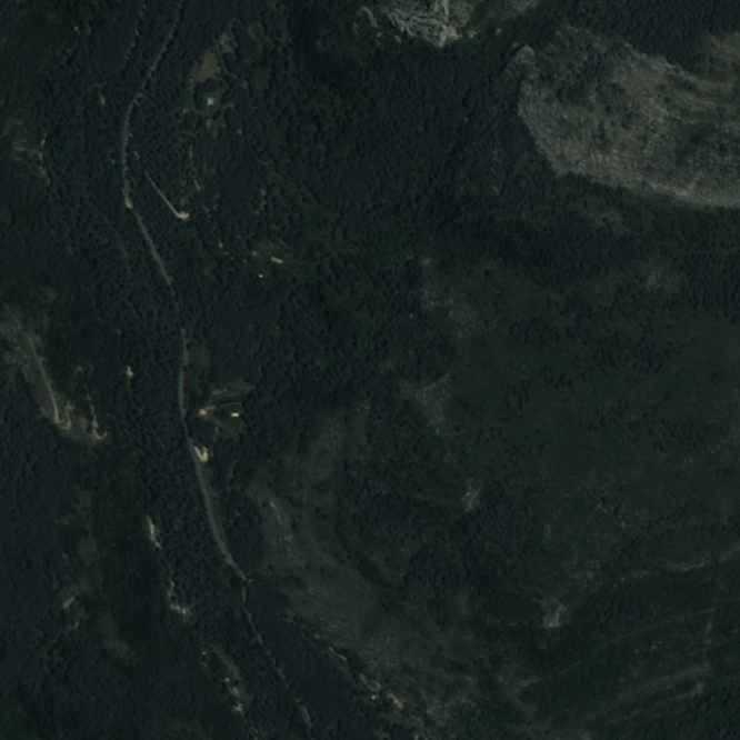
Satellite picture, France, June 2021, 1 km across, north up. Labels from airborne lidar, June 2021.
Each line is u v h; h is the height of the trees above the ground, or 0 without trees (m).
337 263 16
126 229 11
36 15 11
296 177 11
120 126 16
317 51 12
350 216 15
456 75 15
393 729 12
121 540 12
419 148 16
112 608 8
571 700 7
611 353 6
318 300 11
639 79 0
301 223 10
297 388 13
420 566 10
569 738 0
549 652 6
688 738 0
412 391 0
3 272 10
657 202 0
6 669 15
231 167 10
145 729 9
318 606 0
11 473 18
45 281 7
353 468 13
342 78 10
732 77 0
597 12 8
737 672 7
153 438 17
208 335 9
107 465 12
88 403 12
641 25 9
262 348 14
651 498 0
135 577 12
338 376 16
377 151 11
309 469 0
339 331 16
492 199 6
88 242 15
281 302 17
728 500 0
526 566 6
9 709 6
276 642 12
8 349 9
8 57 10
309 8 15
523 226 9
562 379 9
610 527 0
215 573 13
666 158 0
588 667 6
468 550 9
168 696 9
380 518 11
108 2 9
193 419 9
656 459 0
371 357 11
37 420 12
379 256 7
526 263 10
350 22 8
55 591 9
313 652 11
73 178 11
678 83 0
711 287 12
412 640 6
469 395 0
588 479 0
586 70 7
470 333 0
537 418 0
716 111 0
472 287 0
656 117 0
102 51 12
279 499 0
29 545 22
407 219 9
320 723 14
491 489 6
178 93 13
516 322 8
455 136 10
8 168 13
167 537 13
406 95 14
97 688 10
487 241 9
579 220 8
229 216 11
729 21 12
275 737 10
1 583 13
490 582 11
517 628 6
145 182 13
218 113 8
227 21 10
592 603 7
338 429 0
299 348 13
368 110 7
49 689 18
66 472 18
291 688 12
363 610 0
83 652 16
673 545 0
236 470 9
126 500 9
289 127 7
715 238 7
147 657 6
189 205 8
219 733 7
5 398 13
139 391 11
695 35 11
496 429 8
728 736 10
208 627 13
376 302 12
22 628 17
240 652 7
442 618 6
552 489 0
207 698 14
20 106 10
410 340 8
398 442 6
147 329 15
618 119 0
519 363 0
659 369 10
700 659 10
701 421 0
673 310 8
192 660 8
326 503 0
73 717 10
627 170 0
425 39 12
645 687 0
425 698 0
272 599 12
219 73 8
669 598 9
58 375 9
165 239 11
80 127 10
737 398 0
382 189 11
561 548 0
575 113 0
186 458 11
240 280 13
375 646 0
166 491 15
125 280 15
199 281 8
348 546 6
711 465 0
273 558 0
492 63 7
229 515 13
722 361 0
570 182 7
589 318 6
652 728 8
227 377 12
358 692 13
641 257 8
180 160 8
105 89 10
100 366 12
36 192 16
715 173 0
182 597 12
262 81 0
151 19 15
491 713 9
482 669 6
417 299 7
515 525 9
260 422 12
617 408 7
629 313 8
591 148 0
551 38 9
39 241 18
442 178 13
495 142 7
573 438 0
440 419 0
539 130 0
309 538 0
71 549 6
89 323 11
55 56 11
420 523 9
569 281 8
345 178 15
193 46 15
